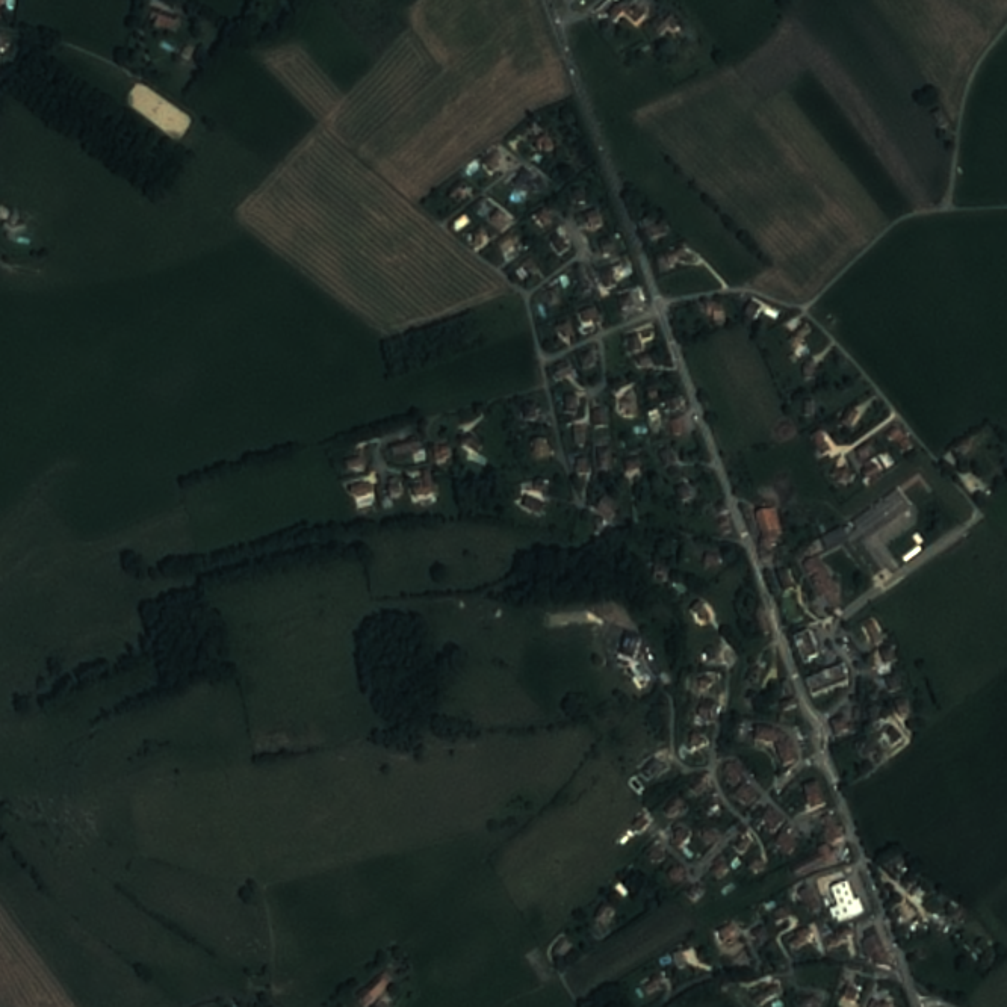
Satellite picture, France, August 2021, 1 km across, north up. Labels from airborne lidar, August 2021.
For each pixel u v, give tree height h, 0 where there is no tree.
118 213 0
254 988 0
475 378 0
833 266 0
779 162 0
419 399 0
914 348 0
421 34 0
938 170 0
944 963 0
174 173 12
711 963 6
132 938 0
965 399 0
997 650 0
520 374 0
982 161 0
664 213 11
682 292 0
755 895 0
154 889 0
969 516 0
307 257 0
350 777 0
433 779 0
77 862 0
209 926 0
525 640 0
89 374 0
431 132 0
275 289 0
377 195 0
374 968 8
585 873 0
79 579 0
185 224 0
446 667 19
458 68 0
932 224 0
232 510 0
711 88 0
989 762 0
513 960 0
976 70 0
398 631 20
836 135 0
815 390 7
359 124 0
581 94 0
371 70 0
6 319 0
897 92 0
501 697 0
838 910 0
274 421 0
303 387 0
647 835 0
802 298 0
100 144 16
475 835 0
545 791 0
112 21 0
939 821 0
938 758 0
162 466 0
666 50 20
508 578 9
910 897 0
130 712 11
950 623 0
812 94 0
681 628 6
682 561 12
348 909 0
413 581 0
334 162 0
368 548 16
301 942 0
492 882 0
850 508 0
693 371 0
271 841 0
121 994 0
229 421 0
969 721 0
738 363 0
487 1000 0
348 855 0
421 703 20
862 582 13
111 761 0
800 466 0
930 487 0
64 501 0
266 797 0
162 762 0
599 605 11
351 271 0
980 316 0
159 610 14
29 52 10
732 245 0
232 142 0
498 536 0
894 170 0
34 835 0
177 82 0
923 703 8
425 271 0
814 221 0
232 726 0
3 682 0
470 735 13
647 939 0
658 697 8
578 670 0
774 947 11
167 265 0
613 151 0
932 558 0
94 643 0
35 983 0
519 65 0
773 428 0
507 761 0
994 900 0
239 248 0
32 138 0
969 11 0
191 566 18
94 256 0
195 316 0
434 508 0
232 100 0
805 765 0
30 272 0
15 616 0
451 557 0
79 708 0
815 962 8
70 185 0
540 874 0
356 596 0
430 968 0
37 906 0
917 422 0
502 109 0
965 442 7
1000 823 0
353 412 0
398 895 0
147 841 0
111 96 8
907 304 0
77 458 0
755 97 0
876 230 0
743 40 0
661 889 20
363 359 0
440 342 15
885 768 0
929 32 0
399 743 10
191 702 0
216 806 0
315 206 0
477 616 0
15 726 0
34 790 0
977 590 0
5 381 0
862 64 0
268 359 0
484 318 0
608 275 0
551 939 0
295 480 0
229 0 0
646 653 0
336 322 0
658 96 0
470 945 0
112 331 0
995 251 0
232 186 0
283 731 0
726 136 0
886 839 0
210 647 18
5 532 0
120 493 0
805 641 0
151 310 0
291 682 0
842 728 0
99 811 0
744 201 0
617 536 19
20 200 0
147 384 0
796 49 0
